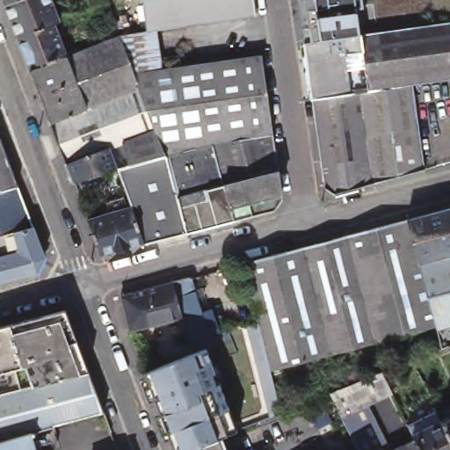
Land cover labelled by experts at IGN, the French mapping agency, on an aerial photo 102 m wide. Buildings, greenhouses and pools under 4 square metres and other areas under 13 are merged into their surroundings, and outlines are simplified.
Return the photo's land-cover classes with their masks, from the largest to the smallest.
<instances>
[{"label":"building","instance_id":"1","mask_svg":"<svg viewBox=\"0 0 450 450\"><path fill-rule=\"evenodd\" d=\"M7 16L12 19L14 25V33H18L21 44L32 47L35 65H39V70H32V74L28 76L30 86L35 91L32 100L39 98L40 107L47 112V116L58 121V137L62 142L63 151L69 155L65 158V163L69 165L70 176L74 179L79 192L83 188L84 181L116 172L123 192L127 195L128 206L107 211L97 216L91 213L88 218L91 232L98 239V250H104L105 255L114 253L118 260H121L137 257L146 251L158 250V241L167 237L186 234L190 230L206 229L220 223H227L232 234H243L239 223L248 221L253 225L257 220L269 218L272 211H278L279 207L285 204V188L279 185V174H287L288 146L287 142H281L279 137L272 135L262 56L185 67L163 70L160 67V49L158 32L167 28L209 21L251 18L257 11L253 0H146L142 5L144 19L141 21L142 25L146 26V32L130 33L125 37L104 40L98 42L97 46L86 47L67 58V49L63 46L58 30V25L63 23V12L58 0H4ZM316 14L318 18H323L318 25L323 30L322 42L304 44V58L299 65V74L302 77L304 95L313 107V114L309 116L313 127L311 137L316 146L322 149L323 165L327 169L325 190H329L330 193L352 192L381 181L403 179L404 176L417 174L438 165V158L429 160V155H425V139L420 137L413 88L417 86L418 81H424L425 84L445 83L450 79V0H316ZM44 250H49V230L37 204L30 209L26 207L23 193L16 185V179L12 174L11 163L5 155L4 144L0 141V294L42 281V269L46 267ZM241 271H257V285L262 290L267 309V313L260 316L257 327H246L250 330L251 345L257 359L258 373L262 378L265 399L272 404L276 401V388L272 378L281 374L287 367L304 364L332 357L337 353L355 352L362 346L376 345L387 336H411L425 330H438L450 327V209H439L432 213L413 216L408 220L336 237L323 243L283 251L278 255L260 258L257 262L246 253L239 255L236 260ZM128 330L132 334H141L142 330L153 332L163 325L178 322L185 313L211 320L214 318L213 311L200 309L192 279H172L163 285L142 288L139 292L125 294L121 290ZM102 406L98 403L95 387L91 383L83 353L77 345L76 332L72 329L67 313H51L25 322L12 323L9 327L0 329V450H35L32 434L39 427H60L77 420L100 417ZM216 371L206 350L192 353L185 359L176 360L165 366L148 374L149 385L153 388L155 396H158V408L165 413L171 429L172 443L178 450H227L225 438L234 431V422L230 417L229 404L225 401L223 390L214 381ZM392 396L385 376L380 374H376L369 385L355 383L337 390L330 396L345 429L348 434H352L369 424L373 427L380 445H385L387 439L371 413V404ZM396 450H450V417L443 415L427 420L411 434L410 443L397 446Z\"/></svg>","mask_w":450,"mask_h":450},{"label":"impervious surface","instance_id":"2","mask_svg":"<svg viewBox=\"0 0 450 450\"><path fill-rule=\"evenodd\" d=\"M257 11L251 18L209 21L167 28L158 32L160 49L174 46L176 40L181 37L192 39L195 49L183 54L181 58V63L185 67L262 56L272 135L279 137L281 142H287L288 146L287 174H279V185L285 188V204L279 207L278 211H272L269 218L257 220L253 225L248 221L239 223L243 234H232L227 223H220L206 229L190 230L186 234L167 237L158 241V250L146 251L137 257L121 260H118L114 253L105 255L104 250H98V239L91 232L88 218L79 211V192L74 179L70 176L69 165L65 163V158L69 155L63 151L62 142L58 137V121L47 116V112L40 107L39 98L32 100L35 91L30 86L28 76L32 74V70H39V65H35L32 47L21 44L18 33H14V25L12 19L7 16L4 0H0V141L4 144L5 155L11 163L12 174L16 179V185L23 193L26 207L30 209L37 204L49 230V250H44L46 267L42 269V281L0 294V329L9 327L12 323L25 322L51 313H67L72 329L76 332L77 345L83 353L91 383L95 387L98 403L102 406L100 417L77 420L60 427H39L32 434L35 450H178L172 443L171 429L165 413L158 408V396H155L153 388L149 385L148 374L137 371L139 352L132 343V334L128 330L121 290L125 294L139 292L142 288L163 285L172 279H192L200 309L213 311L214 318L211 320L220 327L223 334H232L237 327H243L241 322L250 315V308L236 306L230 301L229 295L225 292L227 278L218 271L216 265L221 260V255L236 260L239 255L246 253L257 262L260 258L278 255L283 251L323 243L336 237L408 220L413 216L432 213L439 209H450V79L445 83L425 84L424 81H418L417 86L413 88L420 137L425 139V155H429V160L438 158V165L417 174L404 176L403 179L381 181L352 192L330 193L329 190H325L327 169L323 165L322 149L316 146L311 137L313 127L309 116L313 114V107L304 95L302 77L299 74V65L304 58V44L322 42L323 30L318 25L323 18H318L316 14V0H253ZM244 345L255 378L251 392L260 399V411L246 418H236L234 422V431L225 438L227 450H396L397 446L410 443L411 434L427 420L443 415L450 417V327L438 330V346L439 371H422L420 378L425 383L438 392V397L427 399L417 410L411 411L408 417H397L394 396H392L371 404V413L387 439L385 445H380L373 427L369 424L352 434H348L345 429L332 431L329 415L316 418L315 422L297 418L292 425L281 424L276 420L272 404L265 399L262 378L258 373L257 359L251 345L250 330L246 327H244Z\"/></svg>","mask_w":450,"mask_h":450},{"label":"brushwood","instance_id":"3","mask_svg":"<svg viewBox=\"0 0 450 450\"><path fill-rule=\"evenodd\" d=\"M112 0H58L63 12V23L58 25V30L63 46L67 49V58L86 47L97 46L98 42L104 40L120 28L118 19L112 18L111 12L107 9ZM195 49L192 39L181 37L176 40L174 46L160 49V67L163 70L185 67L181 63V58L183 54ZM422 341L438 346V330H425L411 336H387L376 345L362 346L355 352L337 353L332 357L304 364L308 367L309 383L308 390L302 394L295 388L288 387L281 374L272 378L276 388V401L272 404L276 420L281 424L292 425L297 418L315 422L316 418L329 415L332 431L345 429L330 396L337 390L355 383L369 385L376 374H380V366L376 364L378 353H396V366H401L404 362H410L411 348L420 345ZM132 343L139 352L137 371L148 374L165 366L162 360L156 359L160 355V341H156L153 332L142 330L141 334H132ZM438 397V392L425 383L417 390L408 392L406 396H394L397 417H408L411 411L417 410L427 399Z\"/></svg>","mask_w":450,"mask_h":450},{"label":"herbaceous vegetation","instance_id":"4","mask_svg":"<svg viewBox=\"0 0 450 450\"><path fill-rule=\"evenodd\" d=\"M98 188L104 197L107 211L128 206L127 195L123 192L116 172L84 181L83 188ZM244 327H237L232 334H223L220 327L211 320L185 313L178 322L163 325L153 332L156 341H160V355L156 359L162 360L165 366L176 360L185 359L192 353L206 350L216 371L214 381L223 390L225 401L229 404L230 417L234 422L236 418H246L260 411V399L251 392L255 378L244 345Z\"/></svg>","mask_w":450,"mask_h":450},{"label":"deciduous trees","instance_id":"5","mask_svg":"<svg viewBox=\"0 0 450 450\"><path fill-rule=\"evenodd\" d=\"M79 211L88 218L91 213L97 216L107 211L104 197L98 188H83L79 192ZM216 265L218 271L227 278L225 292L229 295L230 301L236 306L250 308V315L241 322L243 327H257L260 316L267 313V309L262 290L257 285V271H241L236 260L221 255V260ZM438 346L422 341L420 345L411 348L410 362H404L401 366H396V353H378L376 364L380 366V374L385 376L392 396H406L408 392L417 390L425 383L420 378L422 371H439ZM288 387L295 388L302 394L308 390L309 383L308 367L304 364L287 367L281 374Z\"/></svg>","mask_w":450,"mask_h":450},{"label":"pervious surface","instance_id":"6","mask_svg":"<svg viewBox=\"0 0 450 450\"><path fill-rule=\"evenodd\" d=\"M146 0H112L107 9L111 12L112 18L118 19L120 28L104 40L125 37L130 33L146 32V26L142 25L141 21L144 19L142 5Z\"/></svg>","mask_w":450,"mask_h":450}]
</instances>
